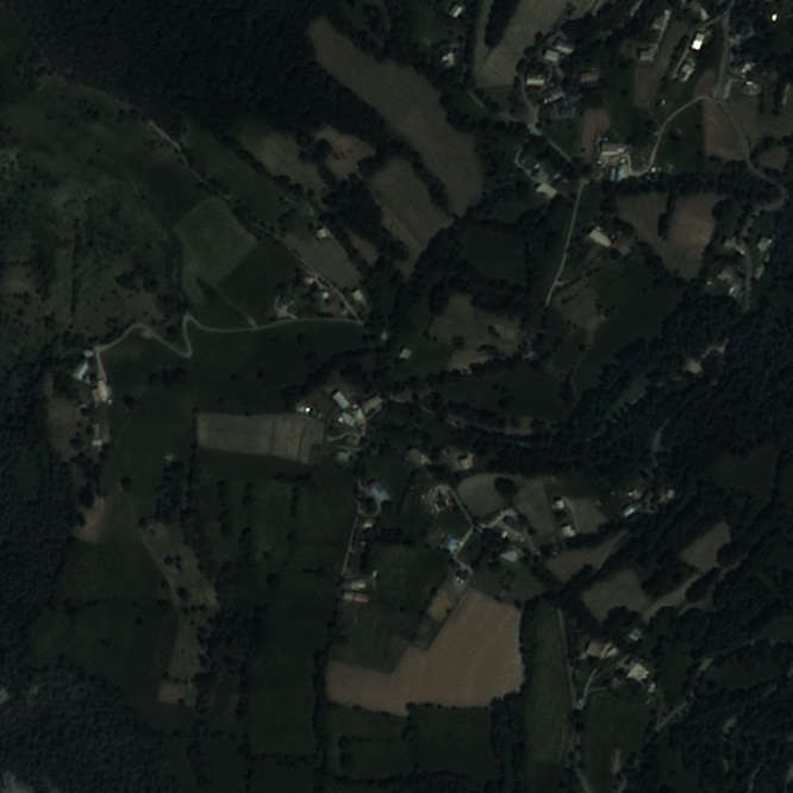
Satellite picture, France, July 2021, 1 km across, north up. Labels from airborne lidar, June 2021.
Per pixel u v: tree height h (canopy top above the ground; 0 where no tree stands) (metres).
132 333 0
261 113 22
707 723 15
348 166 0
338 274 0
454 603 0
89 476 12
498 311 8
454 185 0
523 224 17
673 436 15
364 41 22
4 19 0
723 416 15
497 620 0
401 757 0
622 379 7
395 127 0
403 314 20
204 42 29
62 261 0
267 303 0
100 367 0
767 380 18
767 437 20
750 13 10
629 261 7
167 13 24
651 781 18
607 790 0
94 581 0
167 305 11
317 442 0
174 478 11
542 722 0
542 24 0
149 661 0
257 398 0
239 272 0
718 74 0
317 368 11
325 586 0
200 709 8
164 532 0
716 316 27
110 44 26
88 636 0
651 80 0
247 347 0
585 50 12
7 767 8
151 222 0
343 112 28
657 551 16
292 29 24
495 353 7
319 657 16
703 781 16
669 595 0
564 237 0
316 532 0
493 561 9
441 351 0
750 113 0
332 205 23
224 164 0
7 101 6
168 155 0
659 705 0
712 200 0
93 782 17
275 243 7
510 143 0
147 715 0
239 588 0
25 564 19
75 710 8
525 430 0
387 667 0
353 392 0
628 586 0
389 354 14
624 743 0
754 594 24
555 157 13
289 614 0
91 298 0
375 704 0
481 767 0
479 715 0
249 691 13
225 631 12
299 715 0
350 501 0
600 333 0
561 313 0
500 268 0
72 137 0
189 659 0
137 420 0
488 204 16
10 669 15
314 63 23
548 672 0
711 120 0
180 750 0
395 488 0
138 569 0
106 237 7
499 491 16
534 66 9
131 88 16
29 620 16
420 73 12
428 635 0
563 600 14
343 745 14
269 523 0
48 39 14
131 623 0
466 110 0
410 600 0
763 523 17
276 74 33
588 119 0
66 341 7
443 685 0
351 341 0
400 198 0
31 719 11
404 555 0
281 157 0
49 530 24
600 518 0
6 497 8
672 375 15
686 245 0
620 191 16
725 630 19
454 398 0
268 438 0
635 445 21
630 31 7
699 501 17
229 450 0
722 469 0
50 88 0
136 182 0
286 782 0
